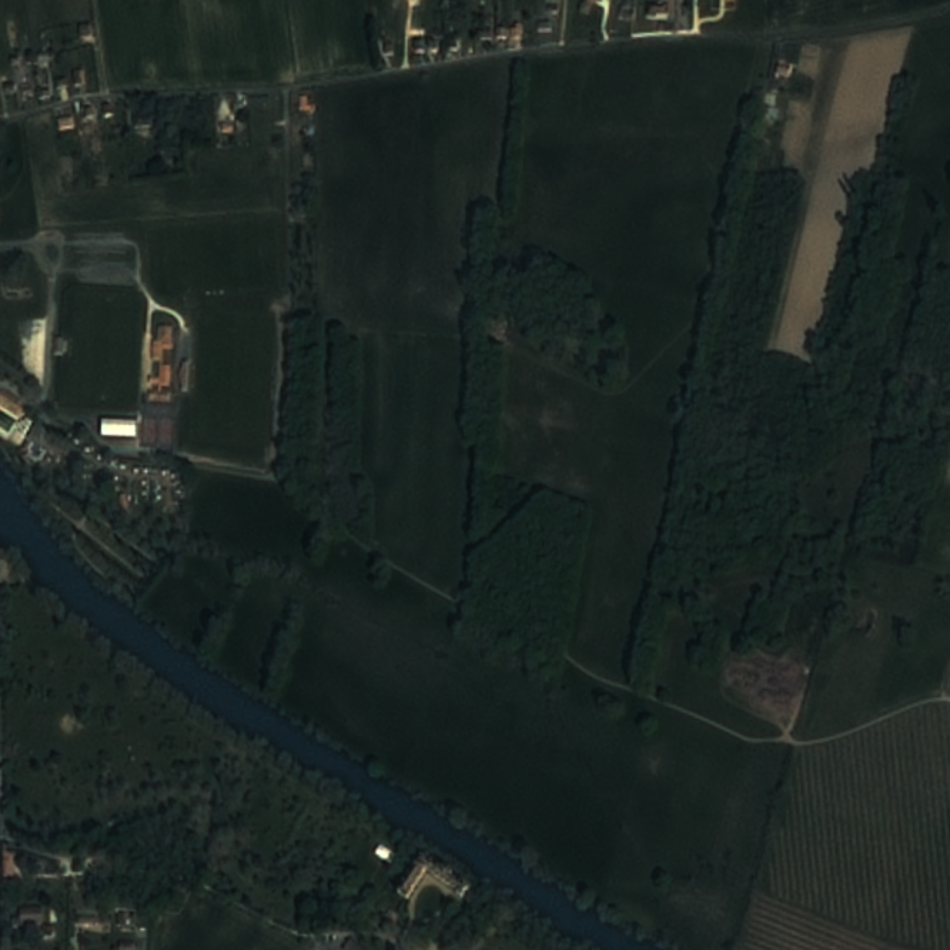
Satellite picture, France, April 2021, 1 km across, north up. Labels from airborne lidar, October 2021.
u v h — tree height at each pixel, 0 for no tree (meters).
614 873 0
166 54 0
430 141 0
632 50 0
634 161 0
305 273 19
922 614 0
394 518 0
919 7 0
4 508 0
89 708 8
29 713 0
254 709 0
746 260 10
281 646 20
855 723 0
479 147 0
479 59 0
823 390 22
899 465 21
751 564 14
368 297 0
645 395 0
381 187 0
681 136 0
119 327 0
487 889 18
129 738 0
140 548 12
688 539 19
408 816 0
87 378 0
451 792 0
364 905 16
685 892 0
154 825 21
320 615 0
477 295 27
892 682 0
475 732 0
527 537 16
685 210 0
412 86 0
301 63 0
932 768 6
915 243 0
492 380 21
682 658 0
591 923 0
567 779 0
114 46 0
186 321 0
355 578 0
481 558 17
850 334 11
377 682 0
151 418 0
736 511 14
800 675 0
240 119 8
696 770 0
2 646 11
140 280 0
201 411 0
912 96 10
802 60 0
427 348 0
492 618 18
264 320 0
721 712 0
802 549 8
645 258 0
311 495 19
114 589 16
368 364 0
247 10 0
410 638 0
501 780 0
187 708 29
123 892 17
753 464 19
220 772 16
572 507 15
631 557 0
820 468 11
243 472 0
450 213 0
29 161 0
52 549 0
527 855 30
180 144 7
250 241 0
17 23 0
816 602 0
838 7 0
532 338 25
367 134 0
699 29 0
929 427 9
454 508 0
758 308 11
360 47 0
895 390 26
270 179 0
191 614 0
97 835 16
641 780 0
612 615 0
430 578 0
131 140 19
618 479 0
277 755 10
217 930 0
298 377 18
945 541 0
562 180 0
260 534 0
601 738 0
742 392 8
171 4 0
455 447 0
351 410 16
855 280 14
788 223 10
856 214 10
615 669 0
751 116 19
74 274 0
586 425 0
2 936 13
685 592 16
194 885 12
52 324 0
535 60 0
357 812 22
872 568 0
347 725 0
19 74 0
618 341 22
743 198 20
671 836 0
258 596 0
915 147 0
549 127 0
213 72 0
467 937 24
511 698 0
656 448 0
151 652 0
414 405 0
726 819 0
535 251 0
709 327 22
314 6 0
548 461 0
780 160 7
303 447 19
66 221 0
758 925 6
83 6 0
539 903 0
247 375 0
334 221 0
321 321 13
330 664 0
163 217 0
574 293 27
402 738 0
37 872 15
